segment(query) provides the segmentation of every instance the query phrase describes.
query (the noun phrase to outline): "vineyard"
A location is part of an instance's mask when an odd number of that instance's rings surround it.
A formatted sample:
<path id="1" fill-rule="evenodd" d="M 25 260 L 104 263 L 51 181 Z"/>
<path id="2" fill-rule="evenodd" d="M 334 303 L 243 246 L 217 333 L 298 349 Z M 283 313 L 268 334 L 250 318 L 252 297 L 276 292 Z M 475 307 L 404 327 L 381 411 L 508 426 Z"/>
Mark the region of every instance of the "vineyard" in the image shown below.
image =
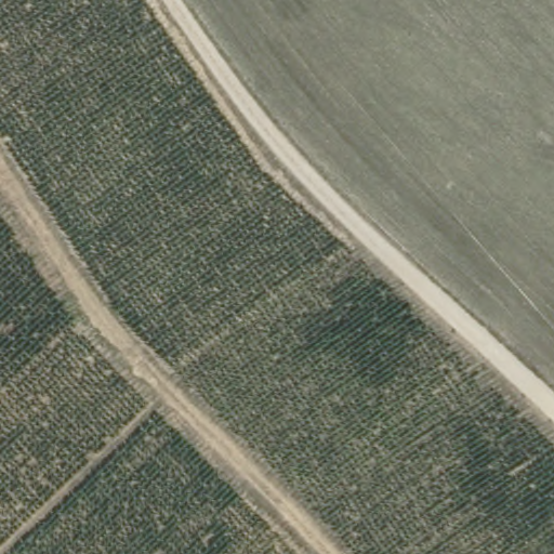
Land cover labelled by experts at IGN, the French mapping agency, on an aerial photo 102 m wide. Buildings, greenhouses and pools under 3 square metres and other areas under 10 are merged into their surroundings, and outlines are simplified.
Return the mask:
<path id="1" fill-rule="evenodd" d="M 342 554 L 554 554 L 554 422 L 550 418 L 543 418 L 541 411 L 513 383 L 509 383 L 480 353 L 470 348 L 457 333 L 457 329 L 446 325 L 431 307 L 426 307 L 273 154 L 273 149 L 262 141 L 255 128 L 247 121 L 240 108 L 234 104 L 234 100 L 227 95 L 223 84 L 214 78 L 212 69 L 197 52 L 184 28 L 171 15 L 169 4 L 173 0 L 0 0 L 0 136 L 11 139 L 9 151 L 13 154 L 19 169 L 28 175 L 28 182 L 35 186 L 41 201 L 48 203 L 58 227 L 69 236 L 71 245 L 87 262 L 89 275 L 102 286 L 104 294 L 108 296 L 110 312 L 117 318 L 121 318 L 126 327 L 130 327 L 173 368 L 173 372 L 180 379 L 175 385 L 182 392 L 186 387 L 195 387 L 199 392 L 201 400 L 216 411 L 216 424 L 229 437 L 242 439 L 247 450 L 260 452 L 266 459 L 266 465 L 279 474 L 277 485 L 307 515 L 312 515 L 314 522 L 318 522 L 322 535 L 327 535 L 329 541 L 333 541 L 335 548 L 342 550 Z"/>
<path id="2" fill-rule="evenodd" d="M 56 292 L 39 275 L 32 255 L 22 251 L 22 245 L 13 236 L 13 229 L 0 216 L 0 554 L 294 554 L 277 532 L 268 528 L 268 524 L 262 517 L 258 517 L 240 500 L 234 487 L 219 476 L 219 472 L 199 454 L 197 448 L 188 439 L 184 439 L 180 431 L 173 428 L 158 411 L 147 407 L 143 396 L 121 374 L 117 374 L 115 366 L 102 357 L 97 348 L 93 348 L 93 344 L 84 335 L 78 335 L 74 331 L 74 314 L 69 314 L 65 309 L 65 303 L 56 299 Z"/>

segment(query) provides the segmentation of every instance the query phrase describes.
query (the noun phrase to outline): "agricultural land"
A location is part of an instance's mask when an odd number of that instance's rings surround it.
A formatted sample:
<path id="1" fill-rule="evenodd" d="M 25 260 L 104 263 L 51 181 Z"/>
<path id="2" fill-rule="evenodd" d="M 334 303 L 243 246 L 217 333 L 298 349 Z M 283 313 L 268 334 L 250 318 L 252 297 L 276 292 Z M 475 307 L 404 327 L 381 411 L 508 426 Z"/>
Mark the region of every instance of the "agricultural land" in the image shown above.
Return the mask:
<path id="1" fill-rule="evenodd" d="M 519 364 L 524 364 L 539 381 L 543 381 L 554 392 L 554 0 L 184 0 L 193 19 L 216 48 L 221 58 L 229 65 L 234 76 L 255 100 L 262 113 L 271 119 L 271 123 L 303 156 L 303 160 L 383 240 L 387 240 L 400 255 L 405 255 L 431 283 L 435 283 L 446 296 L 450 296 L 472 320 L 476 320 L 498 344 L 502 344 Z"/>

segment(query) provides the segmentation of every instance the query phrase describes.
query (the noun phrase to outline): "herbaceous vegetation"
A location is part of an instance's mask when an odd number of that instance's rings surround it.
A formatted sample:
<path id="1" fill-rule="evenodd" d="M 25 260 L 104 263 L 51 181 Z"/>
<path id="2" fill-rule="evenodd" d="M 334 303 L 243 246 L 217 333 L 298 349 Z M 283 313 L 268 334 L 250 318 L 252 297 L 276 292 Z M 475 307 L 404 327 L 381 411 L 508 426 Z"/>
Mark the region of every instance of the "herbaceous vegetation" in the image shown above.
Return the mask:
<path id="1" fill-rule="evenodd" d="M 236 470 L 229 467 L 210 446 L 201 444 L 197 448 L 199 454 L 219 472 L 219 476 L 234 487 L 240 500 L 258 517 L 262 517 L 268 524 L 268 528 L 277 532 L 294 554 L 318 554 L 279 515 L 275 506 L 271 506 L 247 480 L 238 478 Z"/>

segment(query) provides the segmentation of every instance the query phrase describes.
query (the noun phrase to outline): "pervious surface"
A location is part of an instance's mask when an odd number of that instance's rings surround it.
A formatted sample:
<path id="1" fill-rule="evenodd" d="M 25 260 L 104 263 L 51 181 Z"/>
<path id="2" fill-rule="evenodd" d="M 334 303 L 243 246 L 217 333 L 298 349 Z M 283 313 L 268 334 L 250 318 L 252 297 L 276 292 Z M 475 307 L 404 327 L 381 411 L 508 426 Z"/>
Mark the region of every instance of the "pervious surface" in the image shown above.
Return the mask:
<path id="1" fill-rule="evenodd" d="M 117 374 L 121 374 L 143 396 L 147 407 L 158 411 L 173 428 L 180 431 L 184 439 L 188 439 L 197 448 L 201 444 L 210 446 L 229 467 L 236 470 L 238 478 L 247 480 L 271 506 L 275 506 L 279 515 L 318 554 L 342 554 L 342 550 L 335 548 L 333 541 L 329 541 L 327 535 L 322 535 L 318 522 L 314 522 L 312 515 L 307 515 L 277 485 L 279 474 L 266 465 L 266 459 L 260 452 L 247 450 L 242 439 L 229 437 L 216 424 L 216 411 L 201 400 L 199 392 L 195 387 L 186 387 L 182 392 L 175 385 L 180 379 L 173 372 L 173 368 L 130 327 L 126 327 L 121 318 L 117 318 L 110 312 L 108 296 L 104 294 L 102 286 L 89 275 L 87 262 L 71 245 L 69 236 L 58 227 L 48 203 L 41 201 L 35 186 L 28 182 L 28 175 L 19 169 L 13 154 L 9 151 L 11 139 L 0 136 L 0 216 L 13 229 L 13 236 L 22 245 L 22 251 L 32 255 L 39 275 L 56 292 L 56 299 L 65 303 L 65 309 L 69 314 L 74 314 L 74 331 L 78 335 L 84 335 L 93 344 L 93 348 L 97 348 L 102 357 L 115 366 Z"/>
<path id="2" fill-rule="evenodd" d="M 184 0 L 173 0 L 169 4 L 171 15 L 184 28 L 197 52 L 212 69 L 214 78 L 223 84 L 227 95 L 234 100 L 234 104 L 240 108 L 247 121 L 255 128 L 262 141 L 273 149 L 273 154 L 426 307 L 431 307 L 446 325 L 457 329 L 457 333 L 470 348 L 480 353 L 509 383 L 513 383 L 541 411 L 543 418 L 550 418 L 554 422 L 554 392 L 543 381 L 539 381 L 524 364 L 519 364 L 502 344 L 498 344 L 476 320 L 472 320 L 450 296 L 446 296 L 435 283 L 431 283 L 405 255 L 400 255 L 387 240 L 383 240 L 303 160 L 303 156 L 271 123 L 271 119 L 262 113 L 255 100 L 234 76 L 229 65 L 221 58 L 216 48 L 193 19 Z"/>

